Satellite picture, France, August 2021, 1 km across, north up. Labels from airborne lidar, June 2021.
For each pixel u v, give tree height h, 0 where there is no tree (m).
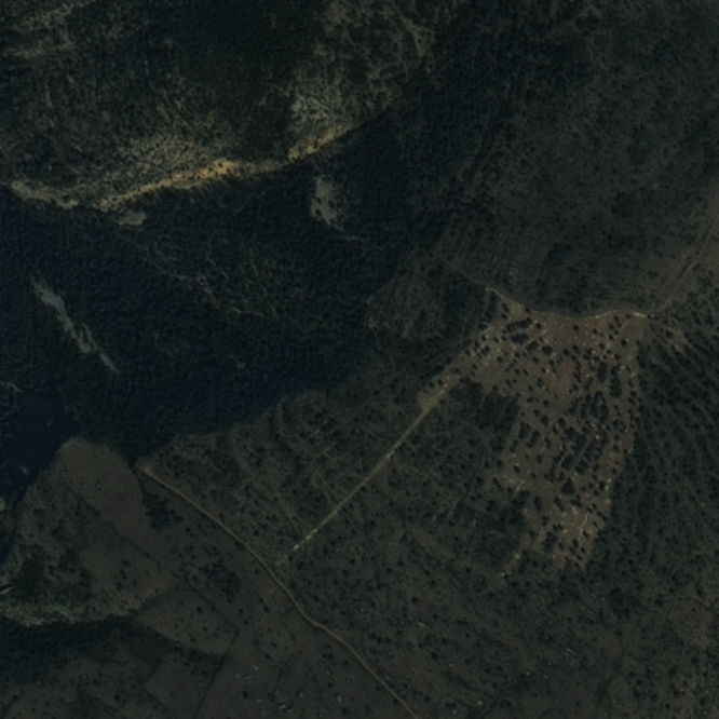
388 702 0
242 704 0
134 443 11
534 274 0
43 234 15
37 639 11
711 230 0
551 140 0
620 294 0
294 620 0
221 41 5
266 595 0
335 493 0
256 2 8
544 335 0
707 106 0
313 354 6
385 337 7
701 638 0
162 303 10
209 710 0
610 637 0
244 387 15
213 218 8
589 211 0
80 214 6
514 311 0
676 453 0
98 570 0
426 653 0
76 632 11
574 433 12
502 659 0
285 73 7
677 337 0
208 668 0
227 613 0
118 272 10
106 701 0
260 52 7
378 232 6
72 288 10
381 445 0
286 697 0
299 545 0
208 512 0
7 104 6
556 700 0
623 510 0
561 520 0
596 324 0
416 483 0
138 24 8
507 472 0
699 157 0
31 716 0
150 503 13
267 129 6
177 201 10
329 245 7
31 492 0
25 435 8
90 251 8
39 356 6
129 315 6
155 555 0
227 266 8
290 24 7
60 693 0
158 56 7
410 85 8
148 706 0
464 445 0
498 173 7
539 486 0
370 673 0
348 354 8
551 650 0
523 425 6
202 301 12
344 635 0
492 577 0
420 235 6
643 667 0
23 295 16
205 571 6
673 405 15
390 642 9
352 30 6
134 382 8
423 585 0
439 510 0
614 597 10
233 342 7
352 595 0
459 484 0
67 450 0
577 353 8
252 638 0
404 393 8
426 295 0
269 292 9
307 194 8
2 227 14
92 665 0
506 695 0
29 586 7
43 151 7
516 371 7
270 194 6
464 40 12
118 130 6
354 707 0
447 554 0
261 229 8
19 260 11
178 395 7
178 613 0
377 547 0
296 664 0
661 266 0
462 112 11
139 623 0
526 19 7
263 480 0
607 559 8
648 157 0
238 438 0
